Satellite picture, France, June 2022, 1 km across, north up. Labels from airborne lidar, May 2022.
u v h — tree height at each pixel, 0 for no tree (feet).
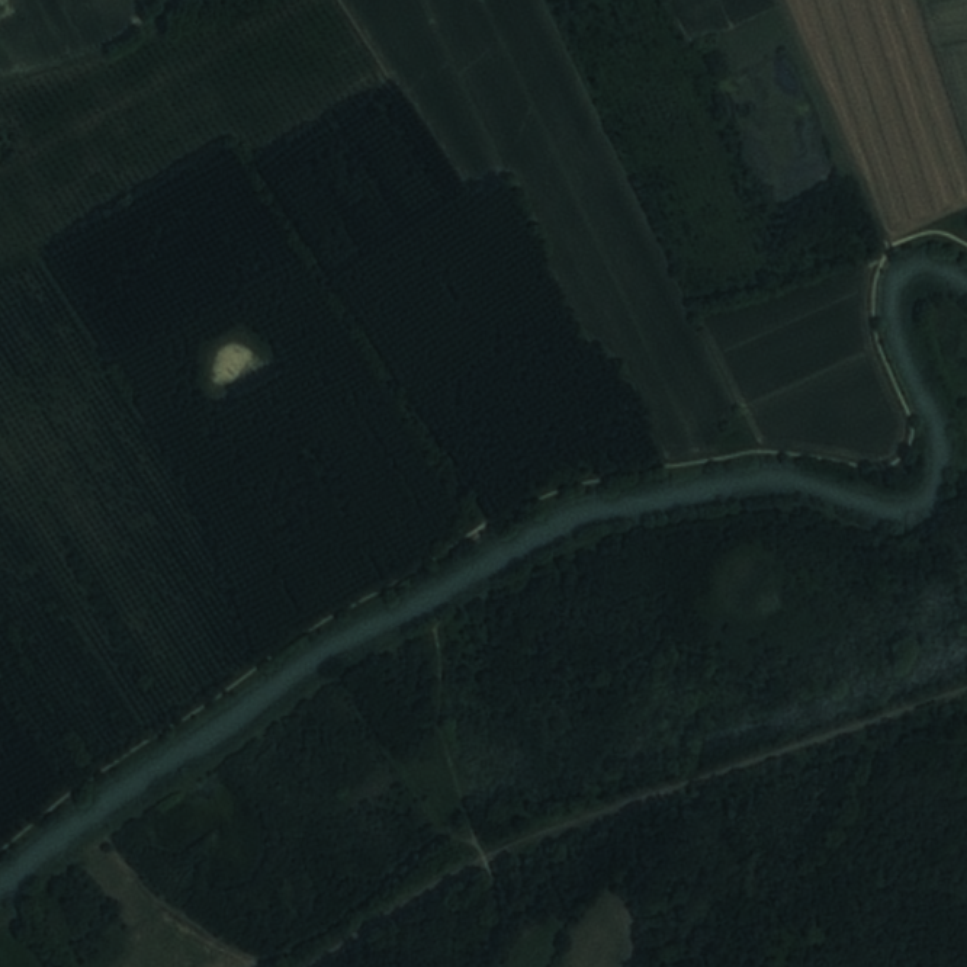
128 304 75
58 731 48
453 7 0
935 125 0
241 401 79
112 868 0
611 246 0
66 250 75
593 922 0
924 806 40
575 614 56
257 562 85
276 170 82
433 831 22
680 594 61
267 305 77
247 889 34
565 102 0
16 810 110
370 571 83
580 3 79
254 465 85
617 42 74
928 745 61
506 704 45
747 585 0
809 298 0
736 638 0
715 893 90
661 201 71
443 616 48
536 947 0
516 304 99
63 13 0
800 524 45
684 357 0
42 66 0
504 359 100
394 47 0
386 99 67
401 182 85
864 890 45
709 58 34
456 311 88
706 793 62
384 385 55
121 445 51
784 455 35
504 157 0
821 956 68
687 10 0
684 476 0
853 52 0
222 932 31
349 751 33
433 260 87
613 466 23
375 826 21
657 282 0
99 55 0
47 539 43
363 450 92
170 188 81
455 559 48
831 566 34
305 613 88
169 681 51
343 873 39
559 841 31
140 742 35
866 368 0
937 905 50
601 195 0
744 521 55
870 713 27
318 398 80
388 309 80
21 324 47
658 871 84
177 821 0
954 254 46
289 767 35
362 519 91
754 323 0
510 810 40
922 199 0
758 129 0
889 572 46
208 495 85
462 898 89
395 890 78
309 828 48
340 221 88
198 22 73
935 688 34
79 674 57
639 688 41
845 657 19
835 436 0
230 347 0
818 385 0
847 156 0
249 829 0
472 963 78
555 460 90
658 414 0
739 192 43
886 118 0
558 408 90
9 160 24
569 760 52
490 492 93
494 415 86
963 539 78
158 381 79
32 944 53
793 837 72
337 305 72
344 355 87
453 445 90
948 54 0
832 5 0
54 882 45
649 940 73
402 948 72
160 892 30
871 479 92
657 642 31
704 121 0
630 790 48
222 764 20
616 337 0
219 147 41
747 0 0
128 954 0
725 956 63
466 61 0
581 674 61
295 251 73
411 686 51
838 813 90
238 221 79
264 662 46
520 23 0
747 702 24
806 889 64
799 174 0
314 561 94
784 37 0
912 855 57
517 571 53
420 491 89
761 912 41
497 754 33
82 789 49
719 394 0
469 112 0
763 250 74
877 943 44
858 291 0
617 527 49
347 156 40
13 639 58
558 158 0
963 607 52
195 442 84
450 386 93
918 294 0
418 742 39
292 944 28
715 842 77
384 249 82
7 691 50
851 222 51
